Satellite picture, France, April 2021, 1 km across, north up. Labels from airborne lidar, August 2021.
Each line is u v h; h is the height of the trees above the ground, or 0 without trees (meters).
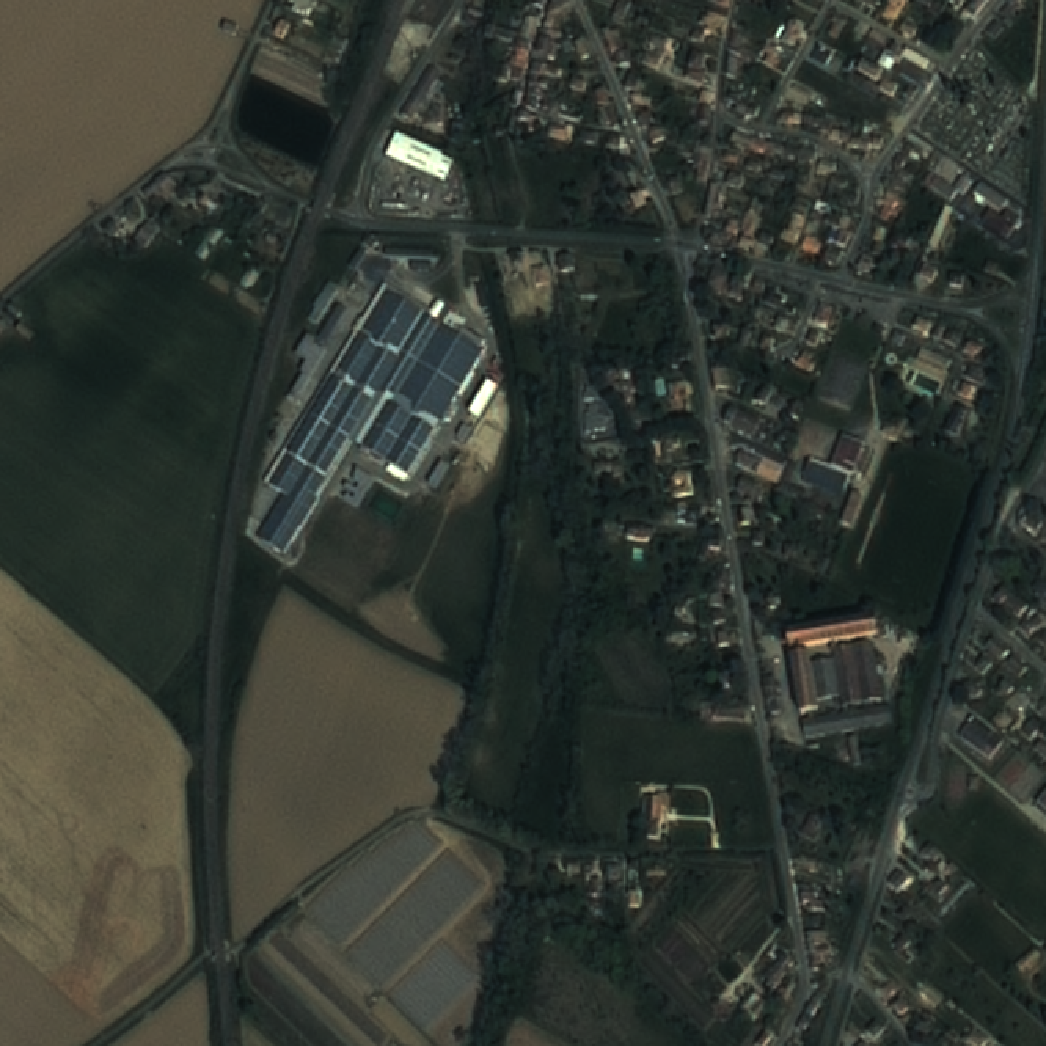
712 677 16
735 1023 8
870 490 0
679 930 0
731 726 0
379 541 0
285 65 0
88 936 0
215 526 0
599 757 0
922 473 0
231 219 7
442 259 0
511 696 0
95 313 0
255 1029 0
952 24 17
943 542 0
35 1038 0
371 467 0
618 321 0
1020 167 0
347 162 0
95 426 0
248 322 0
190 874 0
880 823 9
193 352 0
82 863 0
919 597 0
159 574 0
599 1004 6
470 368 0
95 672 0
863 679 0
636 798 0
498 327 0
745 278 16
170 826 0
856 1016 0
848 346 0
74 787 0
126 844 0
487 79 10
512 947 22
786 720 0
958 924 0
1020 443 7
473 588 0
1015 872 0
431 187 0
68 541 0
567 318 7
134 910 0
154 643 0
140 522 0
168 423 0
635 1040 0
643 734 0
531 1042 0
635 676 0
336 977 0
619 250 0
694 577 11
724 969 0
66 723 0
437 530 0
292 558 0
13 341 0
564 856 0
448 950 0
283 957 0
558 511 15
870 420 0
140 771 0
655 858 7
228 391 0
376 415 0
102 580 0
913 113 0
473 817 18
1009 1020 0
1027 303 0
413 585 0
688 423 13
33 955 0
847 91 0
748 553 6
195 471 0
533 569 0
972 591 12
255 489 0
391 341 0
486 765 0
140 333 0
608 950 22
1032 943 0
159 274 0
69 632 0
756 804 0
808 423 0
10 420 0
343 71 11
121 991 0
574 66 9
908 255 15
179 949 0
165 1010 0
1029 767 0
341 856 0
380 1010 0
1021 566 17
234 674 0
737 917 0
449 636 0
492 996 13
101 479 0
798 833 8
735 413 0
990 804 0
